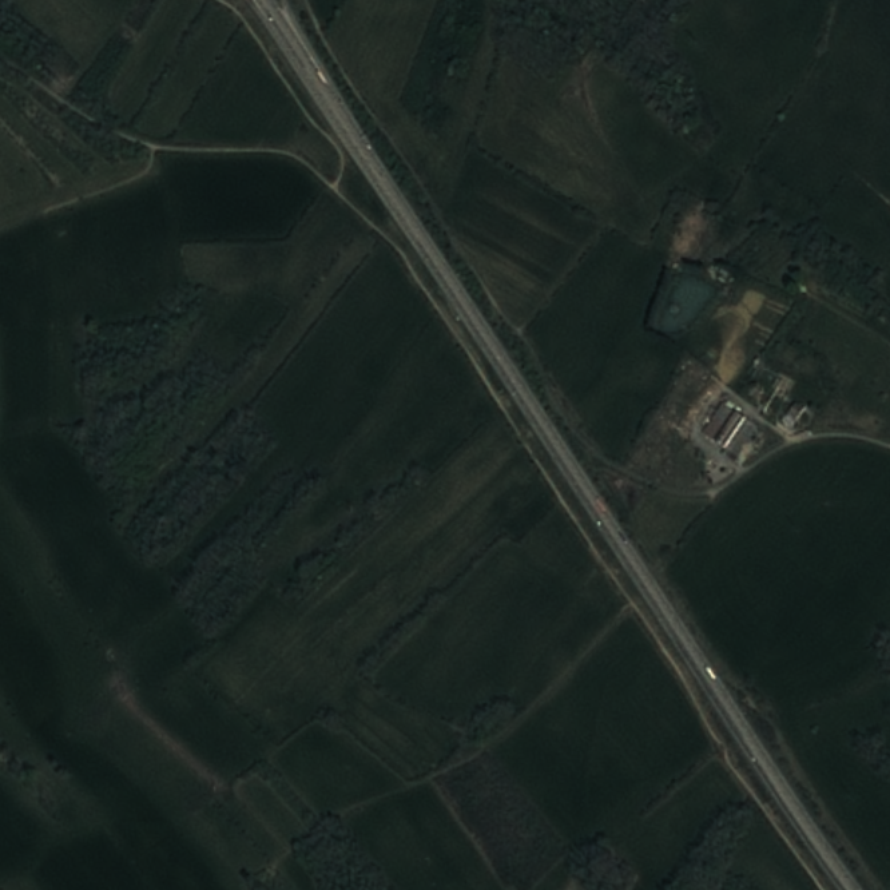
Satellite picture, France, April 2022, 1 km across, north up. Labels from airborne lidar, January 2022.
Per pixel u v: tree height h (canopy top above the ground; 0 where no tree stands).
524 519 0
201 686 0
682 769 0
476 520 0
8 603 0
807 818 0
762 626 0
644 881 0
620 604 0
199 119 0
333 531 0
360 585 0
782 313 0
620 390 0
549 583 0
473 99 0
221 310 0
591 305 0
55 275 0
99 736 0
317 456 0
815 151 0
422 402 0
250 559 21
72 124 16
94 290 0
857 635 0
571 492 0
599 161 0
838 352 0
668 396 0
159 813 0
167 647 0
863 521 0
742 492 0
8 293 0
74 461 0
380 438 0
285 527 10
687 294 0
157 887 0
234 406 0
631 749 0
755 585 0
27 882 0
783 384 0
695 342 0
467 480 0
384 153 9
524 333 0
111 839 0
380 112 0
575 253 0
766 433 0
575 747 0
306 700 0
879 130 0
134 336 10
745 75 0
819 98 0
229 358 0
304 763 0
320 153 0
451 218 0
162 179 0
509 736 0
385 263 0
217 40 0
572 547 0
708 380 0
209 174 0
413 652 0
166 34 0
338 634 0
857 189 0
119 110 0
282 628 0
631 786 0
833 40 0
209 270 0
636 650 0
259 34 0
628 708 0
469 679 0
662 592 0
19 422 0
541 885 0
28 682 0
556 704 0
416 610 0
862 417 0
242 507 0
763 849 0
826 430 0
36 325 0
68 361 0
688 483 0
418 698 0
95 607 0
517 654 0
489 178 0
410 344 0
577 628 0
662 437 0
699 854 20
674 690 0
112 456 23
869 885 0
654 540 0
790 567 0
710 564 0
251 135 0
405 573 0
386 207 0
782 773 0
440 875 0
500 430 0
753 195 0
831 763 0
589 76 0
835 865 0
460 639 0
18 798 0
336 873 18
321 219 0
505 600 0
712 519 0
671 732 0
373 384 0
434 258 0
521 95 0
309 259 0
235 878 0
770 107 0
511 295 0
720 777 0
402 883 0
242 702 0
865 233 0
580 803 0
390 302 0
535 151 0
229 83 0
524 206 0
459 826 0
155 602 0
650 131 0
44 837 0
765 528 0
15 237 0
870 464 0
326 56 7
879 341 0
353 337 0
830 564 0
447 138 0
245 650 0
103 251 0
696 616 0
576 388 0
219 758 0
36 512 0
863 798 0
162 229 0
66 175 0
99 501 0
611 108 0
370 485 0
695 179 0
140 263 0
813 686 0
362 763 0
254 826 0
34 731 0
